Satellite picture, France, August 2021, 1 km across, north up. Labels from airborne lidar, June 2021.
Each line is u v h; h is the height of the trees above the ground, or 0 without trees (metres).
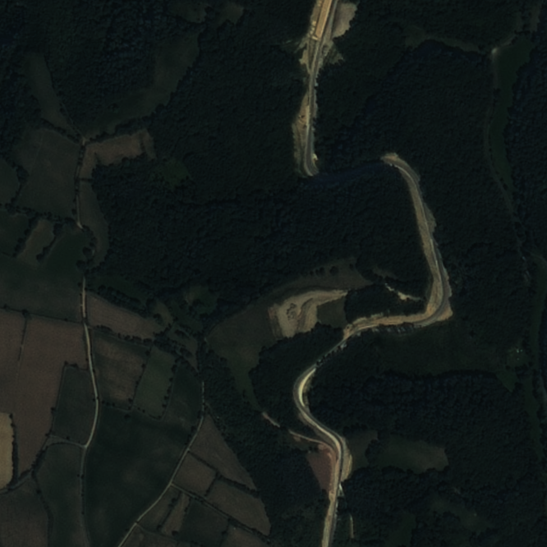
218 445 0
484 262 23
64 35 17
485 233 18
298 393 0
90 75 24
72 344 0
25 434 0
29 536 0
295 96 24
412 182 0
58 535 0
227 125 20
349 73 22
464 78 29
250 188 28
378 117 28
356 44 16
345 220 24
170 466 0
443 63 32
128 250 18
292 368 21
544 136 27
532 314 17
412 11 21
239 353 0
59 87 13
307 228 21
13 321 0
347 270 0
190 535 0
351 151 27
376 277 13
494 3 27
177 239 28
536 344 0
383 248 20
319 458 0
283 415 11
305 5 15
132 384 0
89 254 16
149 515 0
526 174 21
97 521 0
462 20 16
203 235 31
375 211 26
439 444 20
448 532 8
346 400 28
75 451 0
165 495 0
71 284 0
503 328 21
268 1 18
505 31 18
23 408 0
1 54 24
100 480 0
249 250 30
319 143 15
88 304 0
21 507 0
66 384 0
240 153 23
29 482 0
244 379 0
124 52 21
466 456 15
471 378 25
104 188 20
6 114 20
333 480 0
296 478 22
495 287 24
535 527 10
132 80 19
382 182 25
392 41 23
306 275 10
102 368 0
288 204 24
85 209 0
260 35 21
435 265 0
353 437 15
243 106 21
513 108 8
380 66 29
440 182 23
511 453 24
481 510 23
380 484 17
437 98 24
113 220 16
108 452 0
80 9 27
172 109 11
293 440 0
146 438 0
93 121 9
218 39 10
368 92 29
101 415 0
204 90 20
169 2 22
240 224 24
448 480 26
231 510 0
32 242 0
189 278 15
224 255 24
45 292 0
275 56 29
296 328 0
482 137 23
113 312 0
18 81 18
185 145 14
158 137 15
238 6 7
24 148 0
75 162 0
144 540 0
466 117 19
